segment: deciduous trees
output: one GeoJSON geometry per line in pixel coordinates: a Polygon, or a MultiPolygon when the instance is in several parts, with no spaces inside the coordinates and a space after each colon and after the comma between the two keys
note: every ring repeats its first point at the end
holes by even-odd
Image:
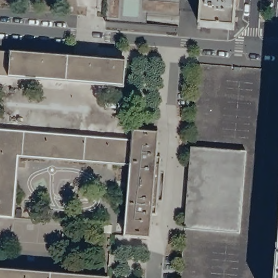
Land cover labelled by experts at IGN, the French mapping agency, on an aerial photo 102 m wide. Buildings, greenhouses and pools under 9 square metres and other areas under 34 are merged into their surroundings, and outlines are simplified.
{"type": "Polygon", "coordinates": [[[181,257],[175,257],[172,264],[174,273],[180,275],[186,267],[185,256],[182,254],[187,250],[188,240],[179,236],[174,237],[168,244],[172,251],[181,253],[181,257]]]}
{"type": "Polygon", "coordinates": [[[0,0],[0,10],[9,10],[14,16],[20,17],[31,12],[37,16],[50,14],[58,20],[64,20],[72,15],[67,0],[0,0]]]}
{"type": "Polygon", "coordinates": [[[106,187],[106,181],[98,179],[94,180],[92,185],[80,188],[87,199],[106,199],[117,215],[119,205],[123,201],[122,186],[118,185],[114,190],[106,187]]]}
{"type": "Polygon", "coordinates": [[[47,191],[39,192],[39,201],[27,212],[33,224],[53,220],[55,212],[50,207],[47,191]]]}
{"type": "Polygon", "coordinates": [[[47,248],[48,257],[69,270],[101,269],[108,261],[104,257],[102,244],[106,235],[103,230],[106,226],[105,220],[110,219],[110,215],[104,208],[93,215],[92,219],[79,218],[77,215],[84,212],[83,203],[80,202],[78,194],[74,193],[72,201],[61,204],[66,214],[58,219],[58,222],[63,227],[61,231],[65,232],[67,237],[71,237],[74,242],[84,238],[86,242],[91,243],[91,248],[81,252],[79,248],[75,248],[69,252],[66,250],[68,242],[60,240],[47,248]]]}
{"type": "Polygon", "coordinates": [[[140,247],[122,245],[114,251],[114,262],[119,263],[116,268],[109,270],[110,278],[142,278],[142,268],[138,263],[140,260],[150,260],[150,251],[148,245],[142,242],[140,247]]]}
{"type": "Polygon", "coordinates": [[[181,144],[197,142],[200,137],[199,127],[194,124],[199,116],[199,106],[194,105],[184,109],[184,113],[180,115],[180,121],[187,122],[186,128],[178,134],[181,144]]]}
{"type": "Polygon", "coordinates": [[[30,102],[39,103],[43,100],[42,86],[37,80],[30,79],[31,84],[27,86],[24,96],[30,102]]]}
{"type": "Polygon", "coordinates": [[[23,254],[17,237],[5,238],[0,245],[0,261],[11,260],[23,254]]]}
{"type": "Polygon", "coordinates": [[[179,94],[185,104],[200,99],[204,80],[203,64],[187,64],[180,68],[180,74],[184,74],[185,81],[179,94]]]}
{"type": "Polygon", "coordinates": [[[152,58],[151,61],[141,58],[132,60],[128,83],[139,88],[141,96],[137,96],[131,90],[126,97],[122,91],[111,89],[96,92],[93,96],[101,106],[108,103],[116,105],[119,100],[124,100],[123,110],[116,117],[119,126],[124,129],[123,134],[126,134],[140,129],[143,124],[154,124],[161,115],[159,91],[163,88],[162,74],[165,71],[162,56],[152,58]]]}

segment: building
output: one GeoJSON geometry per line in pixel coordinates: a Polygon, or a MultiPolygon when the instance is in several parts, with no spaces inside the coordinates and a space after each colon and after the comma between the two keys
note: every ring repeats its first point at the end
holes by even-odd
{"type": "Polygon", "coordinates": [[[20,50],[0,51],[0,75],[112,81],[112,86],[123,87],[128,58],[100,58],[20,50]]]}
{"type": "Polygon", "coordinates": [[[236,22],[237,0],[199,0],[199,28],[230,29],[233,29],[232,26],[236,22]]]}
{"type": "Polygon", "coordinates": [[[106,278],[97,275],[0,267],[0,278],[106,278]]]}
{"type": "Polygon", "coordinates": [[[192,147],[189,156],[186,230],[240,235],[248,152],[192,147]]]}
{"type": "Polygon", "coordinates": [[[20,161],[29,164],[66,161],[83,162],[89,166],[105,164],[110,170],[113,165],[128,167],[124,223],[124,235],[149,236],[151,214],[155,213],[159,195],[163,195],[163,170],[159,168],[161,154],[155,151],[157,131],[140,129],[126,134],[124,138],[115,138],[0,128],[0,218],[13,219],[15,216],[20,161]]]}
{"type": "Polygon", "coordinates": [[[273,278],[278,278],[278,228],[273,278]]]}

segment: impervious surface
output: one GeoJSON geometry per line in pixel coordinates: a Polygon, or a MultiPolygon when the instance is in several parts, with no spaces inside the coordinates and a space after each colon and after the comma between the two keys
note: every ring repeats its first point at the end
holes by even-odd
{"type": "Polygon", "coordinates": [[[0,128],[115,138],[124,138],[126,134],[123,134],[124,129],[119,126],[116,117],[123,110],[124,100],[119,100],[116,105],[108,103],[101,106],[93,96],[96,92],[111,89],[122,91],[123,87],[112,86],[112,81],[0,75],[0,128]],[[24,96],[27,86],[31,84],[30,79],[37,80],[42,86],[43,100],[39,103],[30,102],[24,96]]]}
{"type": "Polygon", "coordinates": [[[163,195],[159,195],[155,213],[151,214],[149,236],[124,235],[124,223],[117,223],[117,215],[106,199],[87,199],[80,188],[92,185],[94,180],[98,179],[106,181],[106,187],[114,190],[118,185],[113,181],[115,174],[110,170],[105,164],[89,166],[83,162],[66,161],[29,164],[20,161],[15,216],[13,219],[0,218],[0,245],[5,238],[17,237],[23,254],[11,260],[0,261],[0,267],[97,275],[106,278],[110,278],[109,270],[116,268],[119,263],[114,262],[114,251],[122,245],[140,247],[142,242],[148,245],[150,251],[150,260],[140,260],[138,263],[142,268],[142,278],[273,278],[278,228],[278,0],[237,0],[236,22],[232,26],[233,29],[230,29],[199,28],[199,0],[172,0],[179,1],[179,18],[170,18],[148,16],[140,7],[141,0],[67,0],[72,15],[64,20],[58,20],[50,14],[37,16],[31,12],[20,17],[14,16],[9,10],[0,10],[0,51],[20,50],[100,58],[128,58],[130,53],[124,50],[130,42],[136,45],[147,43],[160,46],[157,52],[162,56],[165,71],[162,74],[163,88],[159,91],[161,115],[154,124],[143,124],[140,129],[157,131],[155,151],[161,154],[159,168],[163,170],[163,195]],[[204,80],[200,99],[185,104],[179,94],[185,81],[184,74],[180,74],[180,68],[187,64],[203,64],[204,80]],[[180,115],[184,113],[184,109],[194,105],[199,106],[199,116],[194,124],[199,127],[200,137],[197,142],[181,144],[178,134],[186,128],[187,122],[180,121],[180,115]],[[248,152],[240,235],[186,230],[189,156],[192,147],[248,152]],[[47,191],[50,207],[55,212],[53,220],[33,224],[27,212],[39,201],[39,192],[47,191]],[[102,244],[104,257],[108,261],[101,269],[69,270],[48,257],[47,248],[60,240],[68,242],[66,250],[69,252],[75,248],[79,248],[81,252],[91,248],[91,243],[86,242],[84,238],[74,242],[71,237],[67,237],[65,232],[61,231],[63,227],[58,222],[58,219],[66,214],[61,204],[72,201],[74,193],[78,194],[80,202],[83,203],[84,212],[77,215],[79,218],[92,219],[93,215],[104,208],[110,215],[110,219],[105,220],[106,226],[103,230],[106,235],[102,244]],[[181,257],[181,253],[172,251],[168,244],[174,237],[179,236],[188,240],[187,250],[182,254],[185,256],[186,267],[180,275],[174,273],[172,264],[175,257],[181,257]]]}

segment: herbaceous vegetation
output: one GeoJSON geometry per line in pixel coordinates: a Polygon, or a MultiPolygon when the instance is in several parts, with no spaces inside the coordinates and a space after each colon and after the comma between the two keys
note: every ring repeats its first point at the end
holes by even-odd
{"type": "Polygon", "coordinates": [[[172,0],[141,0],[140,7],[148,16],[170,18],[179,18],[179,1],[172,0]]]}
{"type": "Polygon", "coordinates": [[[119,205],[117,215],[117,223],[124,223],[128,167],[113,165],[110,170],[115,174],[113,181],[118,185],[122,186],[123,201],[119,205]]]}
{"type": "Polygon", "coordinates": [[[151,61],[152,58],[162,56],[157,52],[160,46],[147,43],[136,45],[130,42],[124,50],[130,53],[128,58],[123,87],[122,91],[126,97],[131,90],[137,96],[141,96],[139,88],[128,83],[132,60],[141,58],[151,61]]]}

